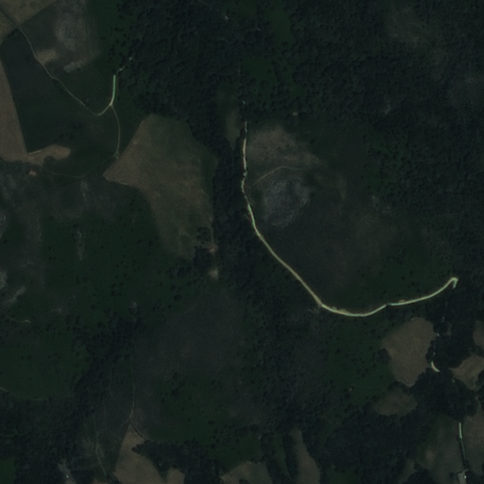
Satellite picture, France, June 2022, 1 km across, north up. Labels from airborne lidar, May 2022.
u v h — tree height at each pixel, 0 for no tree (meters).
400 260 10
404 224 0
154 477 0
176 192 0
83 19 0
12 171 0
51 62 0
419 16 10
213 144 17
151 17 17
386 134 6
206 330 0
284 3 10
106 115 0
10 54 0
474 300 16
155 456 21
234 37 16
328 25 5
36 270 0
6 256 0
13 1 0
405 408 0
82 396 14
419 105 8
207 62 18
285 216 0
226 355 0
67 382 6
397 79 16
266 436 14
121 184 0
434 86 14
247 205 12
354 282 0
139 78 15
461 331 15
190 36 25
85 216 0
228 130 0
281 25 0
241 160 15
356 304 0
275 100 10
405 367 0
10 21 0
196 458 20
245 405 0
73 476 15
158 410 0
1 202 0
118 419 0
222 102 0
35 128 0
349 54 18
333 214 0
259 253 15
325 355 11
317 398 12
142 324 11
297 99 8
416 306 6
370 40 18
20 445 16
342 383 0
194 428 0
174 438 0
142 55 19
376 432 22
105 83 0
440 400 26
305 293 7
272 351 22
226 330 0
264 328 13
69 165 0
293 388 8
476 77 0
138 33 13
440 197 16
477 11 20
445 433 0
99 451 0
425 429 19
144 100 7
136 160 0
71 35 0
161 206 0
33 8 0
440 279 7
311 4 13
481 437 0
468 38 17
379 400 10
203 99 18
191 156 0
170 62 22
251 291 22
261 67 0
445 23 11
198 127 17
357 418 14
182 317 0
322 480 13
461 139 11
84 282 6
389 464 25
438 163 15
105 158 0
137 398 0
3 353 0
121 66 10
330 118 0
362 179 6
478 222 14
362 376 7
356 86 16
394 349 0
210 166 0
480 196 18
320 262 0
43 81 0
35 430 15
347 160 0
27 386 0
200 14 20
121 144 0
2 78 0
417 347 0
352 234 0
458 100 0
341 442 8
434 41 7
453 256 9
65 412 8
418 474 16
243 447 0
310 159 0
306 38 10
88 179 0
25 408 9
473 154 13
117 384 6
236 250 10
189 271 12
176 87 18
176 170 0
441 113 17
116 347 17
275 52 10
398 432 17
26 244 0
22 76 0
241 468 0
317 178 0
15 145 0
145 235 0
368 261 0
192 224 0
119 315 9
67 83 0
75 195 0
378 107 12
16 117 0
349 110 8
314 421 15
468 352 14
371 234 0
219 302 0
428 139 17
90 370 7
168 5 21
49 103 0
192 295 0
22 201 0
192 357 0
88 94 0
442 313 14
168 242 0
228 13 14
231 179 15
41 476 18
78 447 10
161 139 0
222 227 18
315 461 8
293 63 15
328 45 8
